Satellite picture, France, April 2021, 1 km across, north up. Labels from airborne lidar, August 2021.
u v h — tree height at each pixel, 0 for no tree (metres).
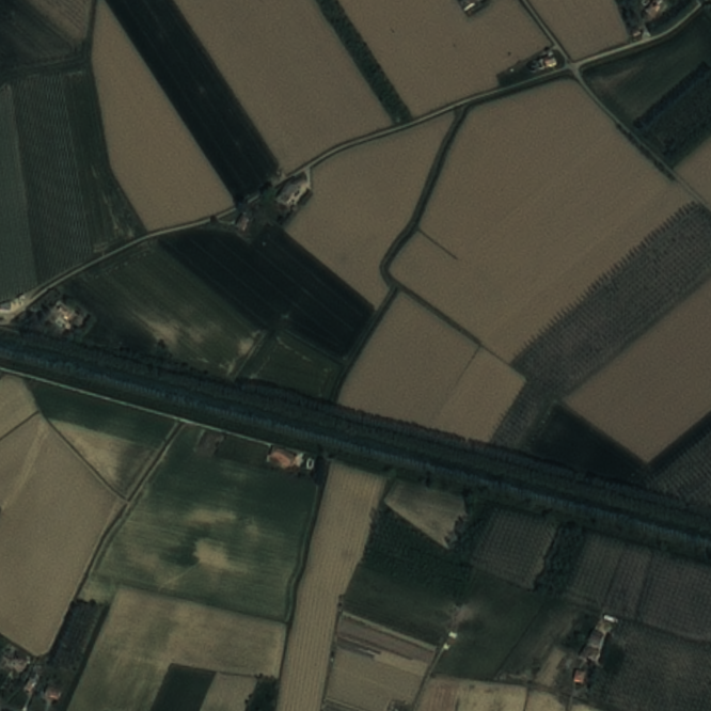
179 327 0
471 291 0
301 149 0
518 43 0
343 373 0
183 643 0
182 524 0
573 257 0
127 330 0
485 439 0
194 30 0
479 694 0
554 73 0
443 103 0
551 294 0
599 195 0
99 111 0
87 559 0
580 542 12
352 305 0
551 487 26
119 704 0
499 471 24
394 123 0
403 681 0
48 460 0
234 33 0
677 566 28
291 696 0
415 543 9
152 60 0
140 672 0
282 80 0
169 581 0
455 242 0
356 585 0
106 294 0
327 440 22
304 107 0
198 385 21
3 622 0
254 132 0
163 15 0
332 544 0
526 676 0
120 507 0
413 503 0
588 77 0
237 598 0
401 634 0
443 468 10
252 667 0
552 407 0
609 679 19
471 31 0
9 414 0
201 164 0
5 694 9
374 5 0
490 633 0
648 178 0
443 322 0
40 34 0
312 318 0
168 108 0
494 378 0
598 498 25
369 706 0
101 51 0
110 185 0
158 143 0
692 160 0
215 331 0
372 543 6
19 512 0
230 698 0
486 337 0
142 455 0
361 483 0
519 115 0
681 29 0
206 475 0
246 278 0
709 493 27
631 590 30
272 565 0
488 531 26
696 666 20
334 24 10
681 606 27
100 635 0
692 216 20
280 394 25
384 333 0
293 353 0
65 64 0
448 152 0
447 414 0
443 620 0
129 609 0
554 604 0
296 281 0
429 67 0
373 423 22
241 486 0
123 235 0
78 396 0
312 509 0
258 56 0
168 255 0
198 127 0
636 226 0
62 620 0
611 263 0
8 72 0
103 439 0
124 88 0
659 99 0
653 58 0
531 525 27
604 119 0
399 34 0
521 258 0
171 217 0
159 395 17
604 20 0
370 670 0
